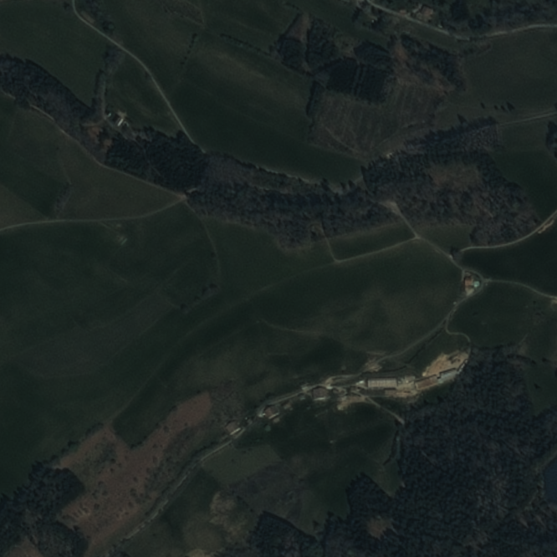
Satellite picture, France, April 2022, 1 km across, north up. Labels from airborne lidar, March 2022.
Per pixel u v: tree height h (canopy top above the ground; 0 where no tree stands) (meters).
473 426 25
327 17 0
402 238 0
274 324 0
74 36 0
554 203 0
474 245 12
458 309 0
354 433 0
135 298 0
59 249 0
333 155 0
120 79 0
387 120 0
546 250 0
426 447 20
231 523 0
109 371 0
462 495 22
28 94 20
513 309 0
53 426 0
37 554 0
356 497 24
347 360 0
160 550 0
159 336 0
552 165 0
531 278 0
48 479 27
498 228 23
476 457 30
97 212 0
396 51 19
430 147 17
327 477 0
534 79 0
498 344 0
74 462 0
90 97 0
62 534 28
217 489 0
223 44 0
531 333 0
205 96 0
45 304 0
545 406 0
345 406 0
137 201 0
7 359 0
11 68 23
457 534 26
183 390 0
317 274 0
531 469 17
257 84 0
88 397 0
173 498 13
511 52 0
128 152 11
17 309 0
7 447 0
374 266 0
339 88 15
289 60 21
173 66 0
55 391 0
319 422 0
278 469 0
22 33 0
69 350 0
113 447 0
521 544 16
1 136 0
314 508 0
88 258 0
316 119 13
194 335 0
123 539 0
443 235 0
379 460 0
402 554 21
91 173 0
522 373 11
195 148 19
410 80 0
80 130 21
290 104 0
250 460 0
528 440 22
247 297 0
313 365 0
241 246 0
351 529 19
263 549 23
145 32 0
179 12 0
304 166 0
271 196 6
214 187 24
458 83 21
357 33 0
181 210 0
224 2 0
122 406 0
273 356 0
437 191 28
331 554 30
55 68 0
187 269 0
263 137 0
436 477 32
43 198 0
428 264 0
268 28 0
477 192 18
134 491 8
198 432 0
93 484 0
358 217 22
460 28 22
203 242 0
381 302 0
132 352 0
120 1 0
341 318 0
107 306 0
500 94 0
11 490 0
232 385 0
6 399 0
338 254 0
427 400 0
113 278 0
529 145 0
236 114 0
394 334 0
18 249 0
